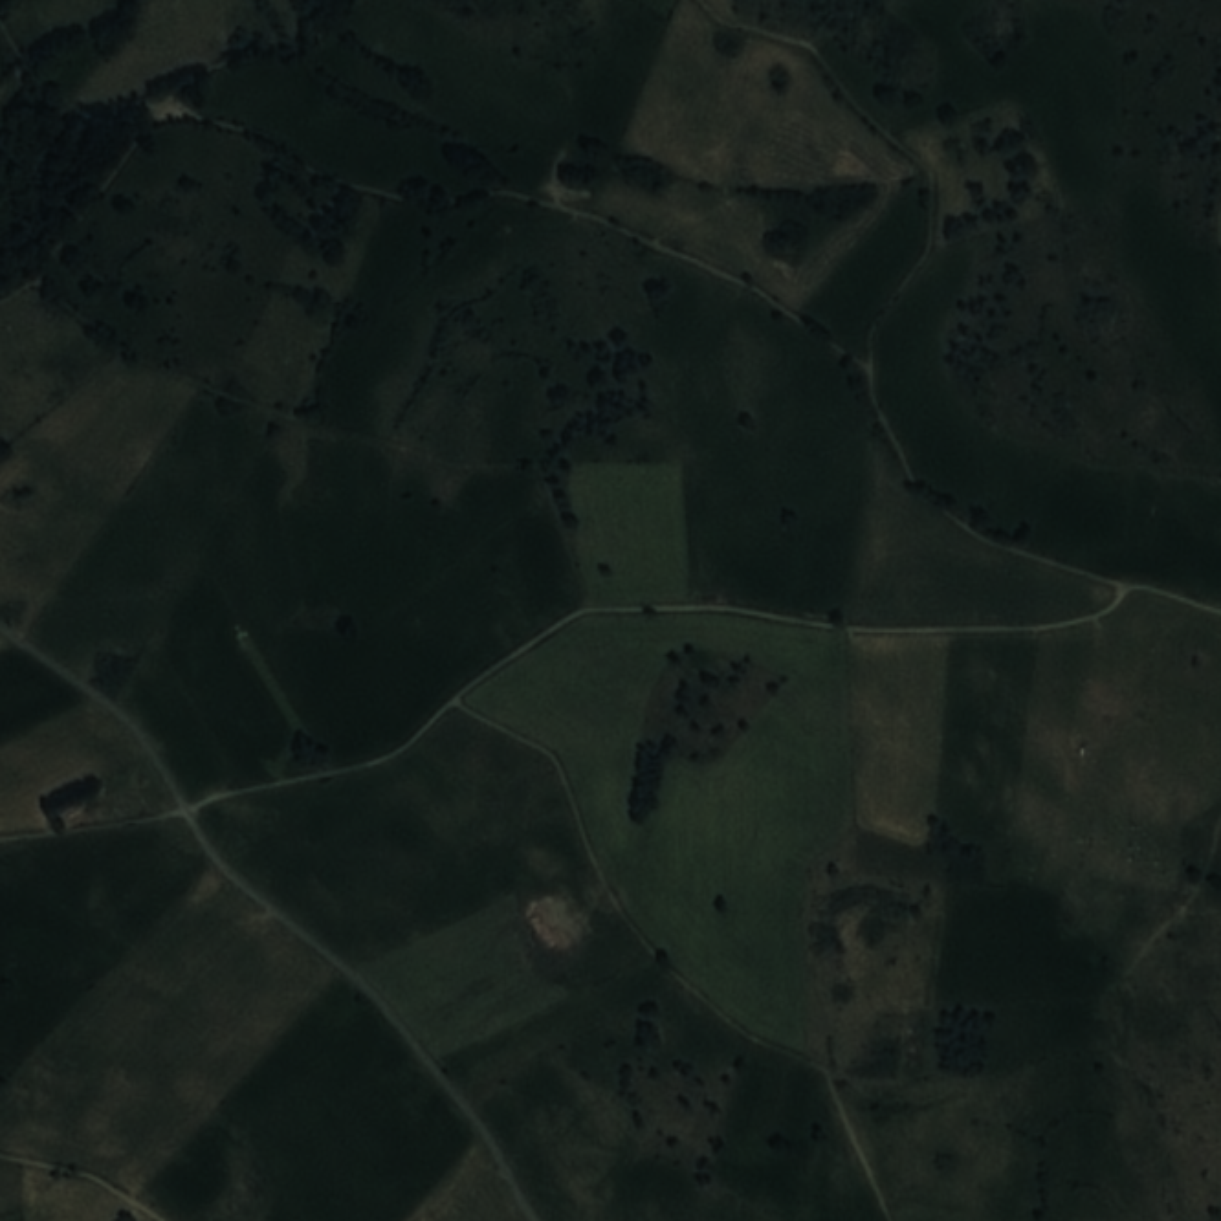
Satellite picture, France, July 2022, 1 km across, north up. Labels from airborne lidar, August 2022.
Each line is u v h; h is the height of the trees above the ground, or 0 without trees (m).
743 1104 0
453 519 0
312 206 13
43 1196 0
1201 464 0
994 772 0
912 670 0
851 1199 0
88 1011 0
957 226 15
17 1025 0
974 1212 0
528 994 0
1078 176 0
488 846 0
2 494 0
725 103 0
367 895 0
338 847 0
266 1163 0
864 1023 0
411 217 0
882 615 0
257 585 0
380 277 0
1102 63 0
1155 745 0
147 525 0
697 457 0
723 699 0
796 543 0
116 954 0
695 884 0
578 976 0
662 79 0
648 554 0
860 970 0
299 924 0
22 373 0
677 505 0
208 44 0
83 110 14
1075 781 0
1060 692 0
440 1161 0
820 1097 0
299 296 12
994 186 0
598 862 0
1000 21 0
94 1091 0
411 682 0
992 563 0
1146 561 0
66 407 0
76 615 0
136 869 0
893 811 0
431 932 0
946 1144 0
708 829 0
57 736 0
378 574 0
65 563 0
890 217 0
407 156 0
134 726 0
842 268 0
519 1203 0
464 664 0
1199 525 0
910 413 0
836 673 0
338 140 0
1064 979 0
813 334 13
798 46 0
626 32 0
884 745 0
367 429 0
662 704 0
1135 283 0
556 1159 0
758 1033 0
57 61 22
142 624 0
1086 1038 0
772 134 0
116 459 0
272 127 0
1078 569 0
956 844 9
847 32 6
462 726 0
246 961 0
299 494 0
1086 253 0
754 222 0
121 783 0
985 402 0
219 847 0
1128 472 0
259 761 0
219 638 0
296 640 0
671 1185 0
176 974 0
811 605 0
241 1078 0
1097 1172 0
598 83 0
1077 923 0
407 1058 0
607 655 0
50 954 0
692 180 0
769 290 0
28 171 8
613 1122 0
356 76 0
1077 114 0
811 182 0
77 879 0
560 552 0
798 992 0
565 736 0
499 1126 0
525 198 0
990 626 0
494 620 0
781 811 0
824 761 0
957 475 0
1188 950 0
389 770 0
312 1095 0
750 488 0
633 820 11
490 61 0
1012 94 0
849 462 0
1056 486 0
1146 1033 0
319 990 0
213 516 0
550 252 0
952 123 16
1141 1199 0
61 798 18
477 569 0
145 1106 0
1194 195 0
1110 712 0
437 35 0
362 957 0
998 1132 0
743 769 0
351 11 14
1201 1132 0
